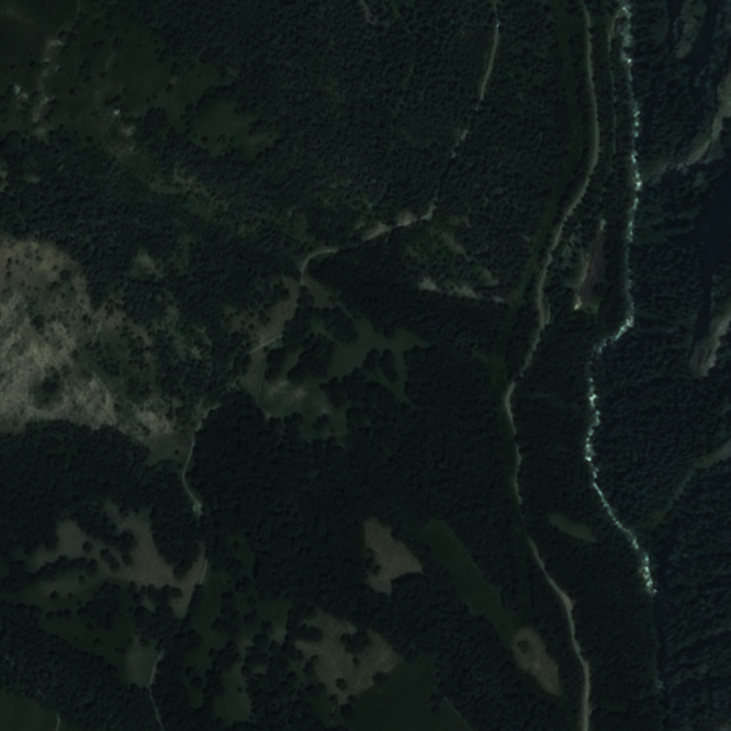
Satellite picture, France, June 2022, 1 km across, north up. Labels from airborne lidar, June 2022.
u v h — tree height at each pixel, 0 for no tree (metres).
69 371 6
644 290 15
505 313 17
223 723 16
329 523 25
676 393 12
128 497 24
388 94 17
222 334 18
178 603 6
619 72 10
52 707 15
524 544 11
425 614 29
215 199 10
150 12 19
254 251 13
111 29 15
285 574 22
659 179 0
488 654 28
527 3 21
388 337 19
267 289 22
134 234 20
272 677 19
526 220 27
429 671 0
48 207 21
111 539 16
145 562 0
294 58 20
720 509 14
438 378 16
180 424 9
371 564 9
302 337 19
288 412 0
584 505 18
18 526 21
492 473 17
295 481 31
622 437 19
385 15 26
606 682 15
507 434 7
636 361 23
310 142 22
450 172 23
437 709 12
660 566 17
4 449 18
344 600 27
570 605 0
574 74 6
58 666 27
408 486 8
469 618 25
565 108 18
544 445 18
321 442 19
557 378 24
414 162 15
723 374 21
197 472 17
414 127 17
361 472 23
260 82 14
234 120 0
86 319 15
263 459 33
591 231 24
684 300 25
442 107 23
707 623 17
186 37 16
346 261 18
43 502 23
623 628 17
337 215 18
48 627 0
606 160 12
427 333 23
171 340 19
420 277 21
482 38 19
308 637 24
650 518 18
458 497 22
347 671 0
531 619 6
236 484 19
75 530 0
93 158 15
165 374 6
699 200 14
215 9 20
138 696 16
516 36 21
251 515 32
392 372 24
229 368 14
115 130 7
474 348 18
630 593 12
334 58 21
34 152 24
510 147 13
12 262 13
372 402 21
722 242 20
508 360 15
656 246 8
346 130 13
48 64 9
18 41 0
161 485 23
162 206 15
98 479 14
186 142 16
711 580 18
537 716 24
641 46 17
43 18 0
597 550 24
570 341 18
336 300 14
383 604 24
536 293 24
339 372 0
